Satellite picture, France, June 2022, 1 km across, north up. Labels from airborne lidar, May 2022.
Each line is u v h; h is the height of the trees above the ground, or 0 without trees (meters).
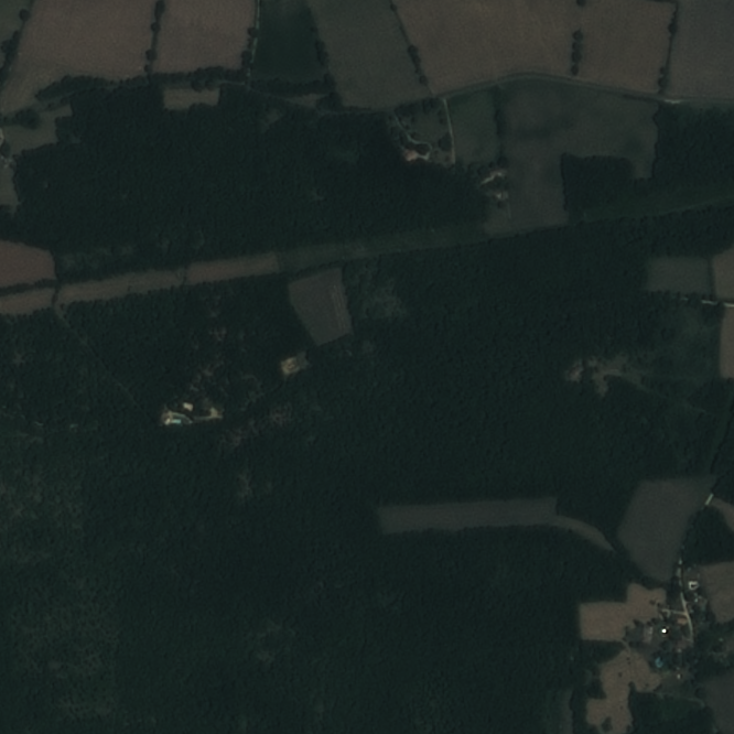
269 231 10
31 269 0
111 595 7
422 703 11
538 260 12
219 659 10
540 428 14
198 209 11
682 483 0
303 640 12
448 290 12
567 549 14
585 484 13
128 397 12
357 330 13
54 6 0
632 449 9
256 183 9
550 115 0
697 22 0
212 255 8
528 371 12
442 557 9
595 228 11
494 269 11
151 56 12
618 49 0
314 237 12
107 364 11
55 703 9
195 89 11
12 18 0
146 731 9
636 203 0
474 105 0
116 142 10
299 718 10
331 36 0
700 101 0
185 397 7
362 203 11
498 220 0
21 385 13
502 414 15
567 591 16
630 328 7
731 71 0
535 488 12
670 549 0
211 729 9
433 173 11
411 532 8
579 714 11
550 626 11
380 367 11
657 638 0
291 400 7
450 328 13
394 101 0
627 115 0
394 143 8
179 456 11
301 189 11
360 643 6
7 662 10
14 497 8
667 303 12
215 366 8
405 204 12
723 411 12
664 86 11
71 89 11
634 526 0
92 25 0
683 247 15
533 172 0
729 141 15
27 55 0
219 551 11
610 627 0
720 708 0
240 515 11
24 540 11
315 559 11
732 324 0
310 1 0
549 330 14
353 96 0
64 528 7
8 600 12
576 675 15
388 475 13
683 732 12
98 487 9
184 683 8
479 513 0
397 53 0
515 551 6
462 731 10
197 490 12
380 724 12
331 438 13
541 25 0
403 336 13
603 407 13
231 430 8
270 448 10
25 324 10
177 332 12
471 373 14
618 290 14
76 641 11
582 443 14
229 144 11
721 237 18
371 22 0
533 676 11
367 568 13
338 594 13
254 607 12
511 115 0
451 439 14
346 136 8
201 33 0
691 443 9
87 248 11
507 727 14
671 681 0
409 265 11
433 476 14
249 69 8
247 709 12
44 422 9
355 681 10
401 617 9
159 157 7
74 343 12
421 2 0
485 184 7
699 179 13
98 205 7
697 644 7
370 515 14
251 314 8
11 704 12
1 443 11
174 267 11
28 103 0
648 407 17
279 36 0
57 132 8
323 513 12
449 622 10
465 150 0
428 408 11
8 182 0
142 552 5
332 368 12
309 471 13
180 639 10
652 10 0
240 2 0
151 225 9
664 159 13
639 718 12
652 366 6
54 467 8
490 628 9
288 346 12
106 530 12
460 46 0
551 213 0
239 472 13
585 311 17
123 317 9
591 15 0
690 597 16
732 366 0
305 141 11
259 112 11
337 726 9
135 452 10
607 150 0
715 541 14
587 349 13
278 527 12
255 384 8
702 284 0
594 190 15
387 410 13
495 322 14
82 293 0
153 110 13
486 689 14
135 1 0
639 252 14
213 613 8
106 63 0
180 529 10
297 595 14
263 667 12
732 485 9
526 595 6
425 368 12
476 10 0
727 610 0
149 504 12
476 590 11
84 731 12
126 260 7
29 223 13
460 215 16
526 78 0
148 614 8
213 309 6
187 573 7
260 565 11
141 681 7
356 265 8
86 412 10
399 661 13
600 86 0
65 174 11
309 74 0
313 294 0
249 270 0
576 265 13
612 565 16
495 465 15
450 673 14
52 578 8
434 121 0
